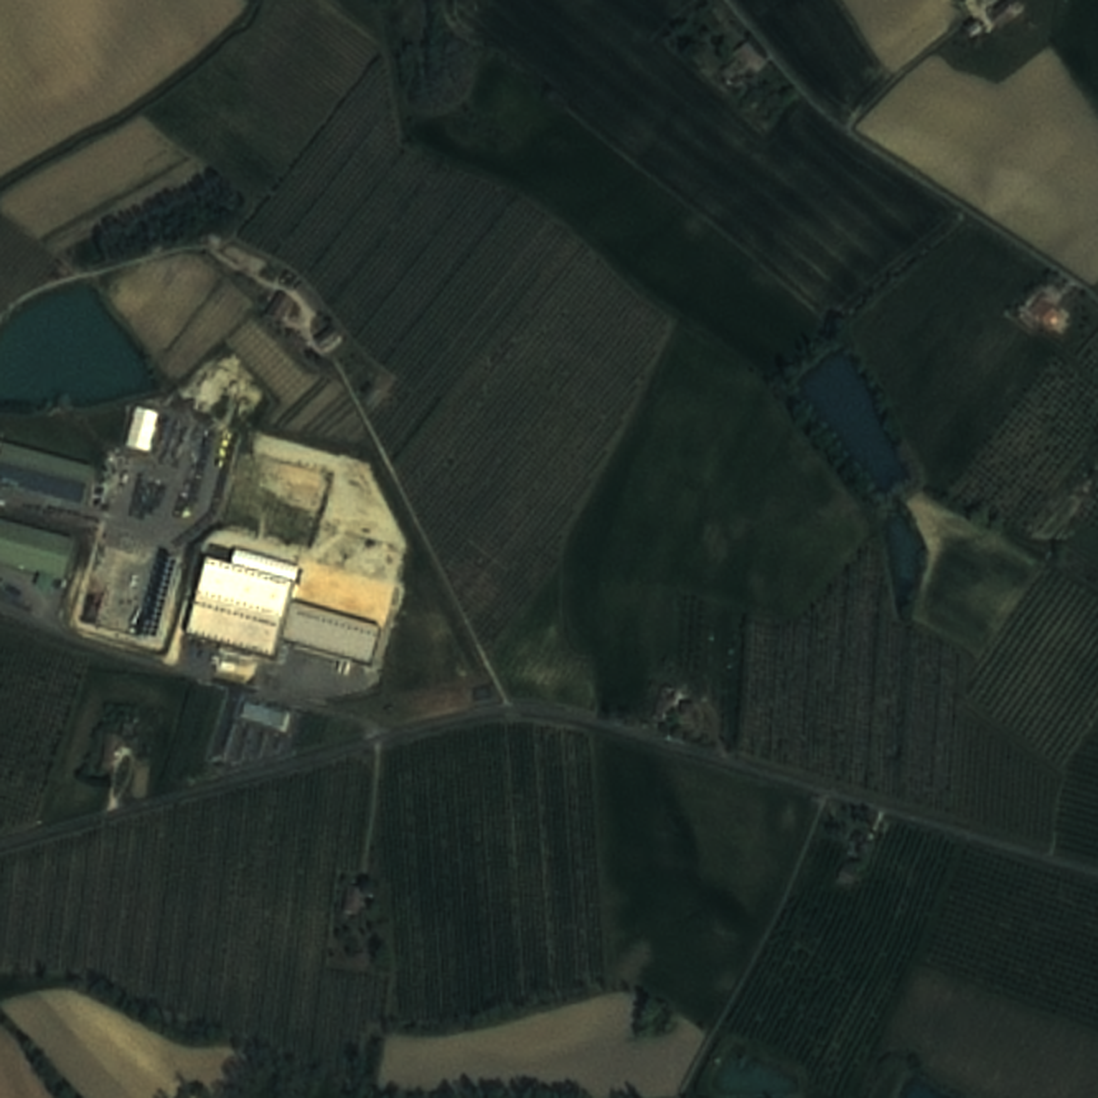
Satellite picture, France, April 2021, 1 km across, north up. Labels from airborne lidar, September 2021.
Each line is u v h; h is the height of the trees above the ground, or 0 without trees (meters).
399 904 5
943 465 0
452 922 6
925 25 0
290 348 0
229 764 0
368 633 0
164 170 0
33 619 0
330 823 5
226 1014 7
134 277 0
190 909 5
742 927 0
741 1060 9
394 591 0
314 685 0
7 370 0
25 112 0
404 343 6
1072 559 9
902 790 6
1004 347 0
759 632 6
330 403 0
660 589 0
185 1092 11
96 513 0
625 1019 0
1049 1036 0
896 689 6
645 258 0
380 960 24
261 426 0
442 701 0
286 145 0
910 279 0
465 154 0
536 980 6
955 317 0
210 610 0
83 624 0
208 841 6
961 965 5
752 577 0
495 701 0
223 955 6
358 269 6
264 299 9
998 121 0
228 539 0
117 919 6
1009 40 0
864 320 0
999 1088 0
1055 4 0
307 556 0
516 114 0
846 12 0
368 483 0
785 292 0
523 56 0
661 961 0
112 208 0
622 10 0
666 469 0
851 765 6
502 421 6
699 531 0
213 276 0
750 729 6
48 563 0
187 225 9
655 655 0
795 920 6
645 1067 0
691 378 0
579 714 0
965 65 0
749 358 0
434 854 6
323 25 0
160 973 6
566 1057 0
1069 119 0
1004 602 0
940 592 0
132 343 0
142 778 0
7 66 0
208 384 0
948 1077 0
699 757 0
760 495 0
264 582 0
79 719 0
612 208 0
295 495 0
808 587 0
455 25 0
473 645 0
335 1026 6
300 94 0
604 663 0
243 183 0
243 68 0
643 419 0
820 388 0
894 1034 0
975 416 0
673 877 0
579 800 6
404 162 5
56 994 0
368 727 0
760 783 0
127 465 0
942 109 0
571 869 7
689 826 0
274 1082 9
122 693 0
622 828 0
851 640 6
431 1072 0
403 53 8
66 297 0
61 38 0
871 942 6
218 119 0
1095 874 0
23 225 0
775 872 0
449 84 20
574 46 0
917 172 0
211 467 0
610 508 0
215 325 0
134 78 0
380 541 0
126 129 0
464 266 6
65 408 16
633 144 0
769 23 0
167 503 0
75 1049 0
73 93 0
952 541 0
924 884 6
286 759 0
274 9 0
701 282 0
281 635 0
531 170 0
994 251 0
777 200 0
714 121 0
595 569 0
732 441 0
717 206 0
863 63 0
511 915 5
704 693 0
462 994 7
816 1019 6
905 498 27
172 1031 10
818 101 0
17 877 6
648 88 0
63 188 0
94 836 6
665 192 0
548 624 0
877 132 0
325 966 6
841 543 0
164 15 0
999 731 0
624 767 0
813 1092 0
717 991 0
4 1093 0
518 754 6
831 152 0
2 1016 6
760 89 10
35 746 5
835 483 0
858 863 10
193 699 6
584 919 6
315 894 5
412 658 0
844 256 0
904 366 0
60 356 0
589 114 0
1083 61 0
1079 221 0
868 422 0
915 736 7
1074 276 0
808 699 7
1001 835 0
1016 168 0
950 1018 0
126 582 0
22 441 0
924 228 0
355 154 6
